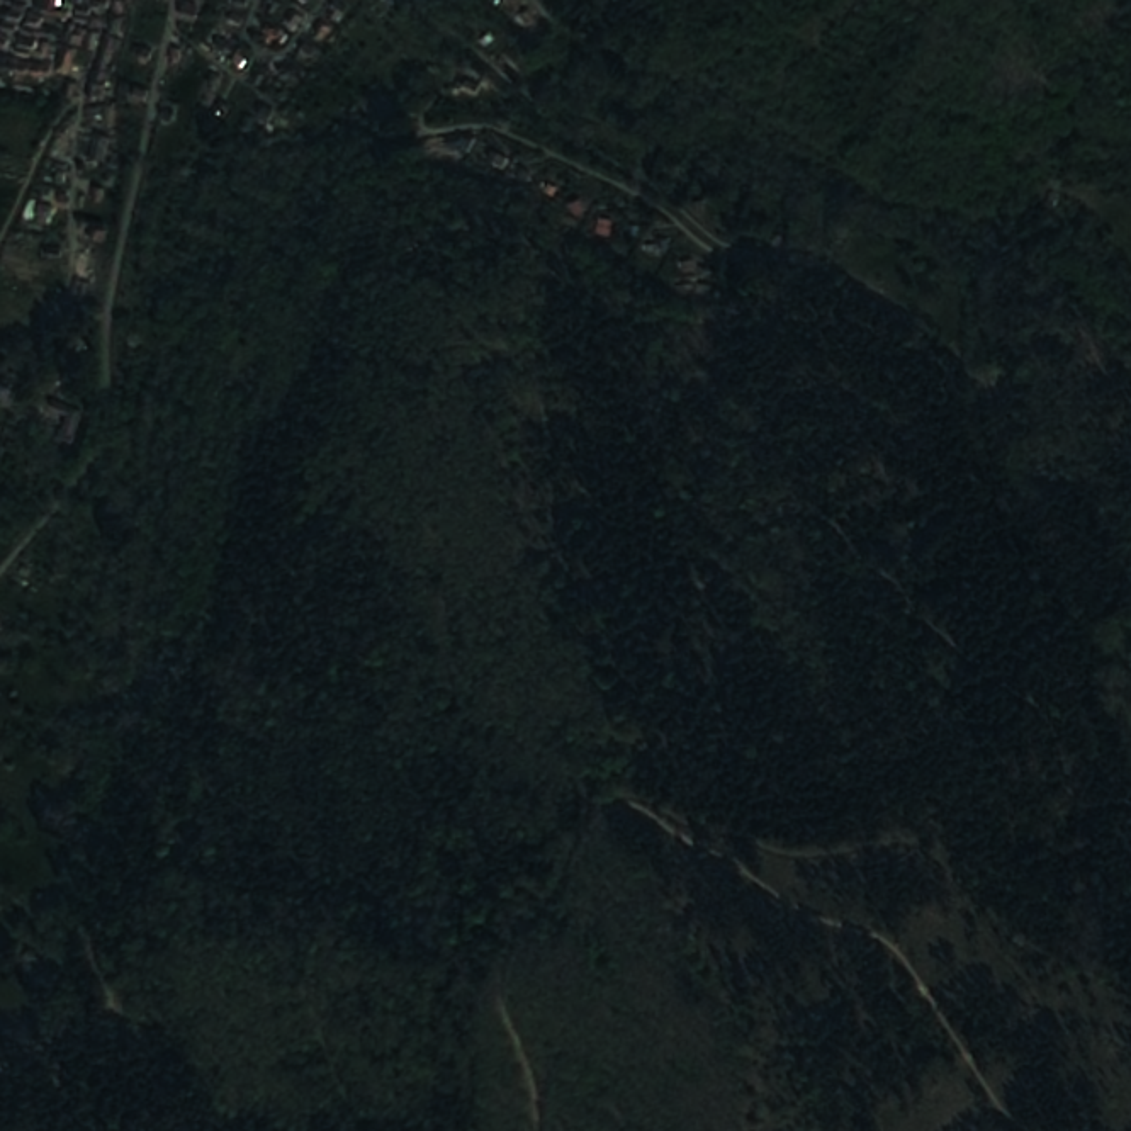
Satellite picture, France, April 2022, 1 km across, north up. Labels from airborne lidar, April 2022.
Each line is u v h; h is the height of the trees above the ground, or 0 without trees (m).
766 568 17
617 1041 17
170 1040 9
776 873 0
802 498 22
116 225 8
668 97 17
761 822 28
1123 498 21
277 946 22
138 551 24
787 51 8
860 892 23
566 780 21
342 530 20
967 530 31
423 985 18
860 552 13
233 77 0
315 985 15
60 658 0
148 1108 30
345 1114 23
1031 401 21
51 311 0
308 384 21
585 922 15
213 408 29
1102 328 32
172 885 28
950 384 19
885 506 9
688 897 7
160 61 0
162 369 14
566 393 33
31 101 10
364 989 12
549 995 19
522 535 20
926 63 17
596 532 30
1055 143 16
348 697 21
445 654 20
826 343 24
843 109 6
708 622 27
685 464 25
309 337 24
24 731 11
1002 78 18
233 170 14
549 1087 7
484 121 0
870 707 21
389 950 18
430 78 19
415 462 21
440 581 18
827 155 14
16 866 0
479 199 15
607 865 18
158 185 7
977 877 27
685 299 19
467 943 16
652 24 21
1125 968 25
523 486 25
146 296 10
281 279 17
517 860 22
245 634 41
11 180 0
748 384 24
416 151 20
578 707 19
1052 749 24
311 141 16
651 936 16
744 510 22
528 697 15
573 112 7
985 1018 10
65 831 25
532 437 8
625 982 12
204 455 24
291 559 24
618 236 10
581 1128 13
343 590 22
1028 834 13
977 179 12
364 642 24
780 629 11
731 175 15
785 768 26
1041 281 23
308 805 22
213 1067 22
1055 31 16
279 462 22
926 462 28
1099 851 28
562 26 12
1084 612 27
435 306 20
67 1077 28
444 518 17
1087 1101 21
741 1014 11
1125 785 25
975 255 18
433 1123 27
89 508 15
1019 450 23
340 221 23
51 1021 24
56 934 23
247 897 27
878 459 20
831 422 25
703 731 32
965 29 20
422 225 15
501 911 24
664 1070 13
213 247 8
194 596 22
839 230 24
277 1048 17
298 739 23
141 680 16
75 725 16
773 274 23
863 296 21
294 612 24
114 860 39
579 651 17
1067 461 16
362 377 24
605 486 31
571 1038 13
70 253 0
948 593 27
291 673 24
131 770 25
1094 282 18
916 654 13
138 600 17
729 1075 15
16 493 7
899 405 22
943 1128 0
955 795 32
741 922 23
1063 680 31
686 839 0
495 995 21
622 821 19
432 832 20
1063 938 31
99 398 13
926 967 0
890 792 20
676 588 33
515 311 22
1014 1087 0
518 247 20
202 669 29
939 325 15
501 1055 18
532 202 20
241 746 27
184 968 21
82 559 9
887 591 26
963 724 23
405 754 21
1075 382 23
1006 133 15
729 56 9
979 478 35
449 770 29
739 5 12
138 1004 21
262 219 20
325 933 22
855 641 24
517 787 22
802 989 24
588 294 35
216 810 25
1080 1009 28
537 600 15
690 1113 11
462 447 17
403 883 23
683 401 28
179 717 36
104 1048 30
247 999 18
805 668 21
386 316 19
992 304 31
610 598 18
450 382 18
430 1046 16
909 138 13
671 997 12
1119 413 29
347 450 20
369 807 21
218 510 22
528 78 7
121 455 18
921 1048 8
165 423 16
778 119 19
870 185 12
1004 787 32
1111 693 30
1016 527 10
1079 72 20
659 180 14
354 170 15
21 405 18
